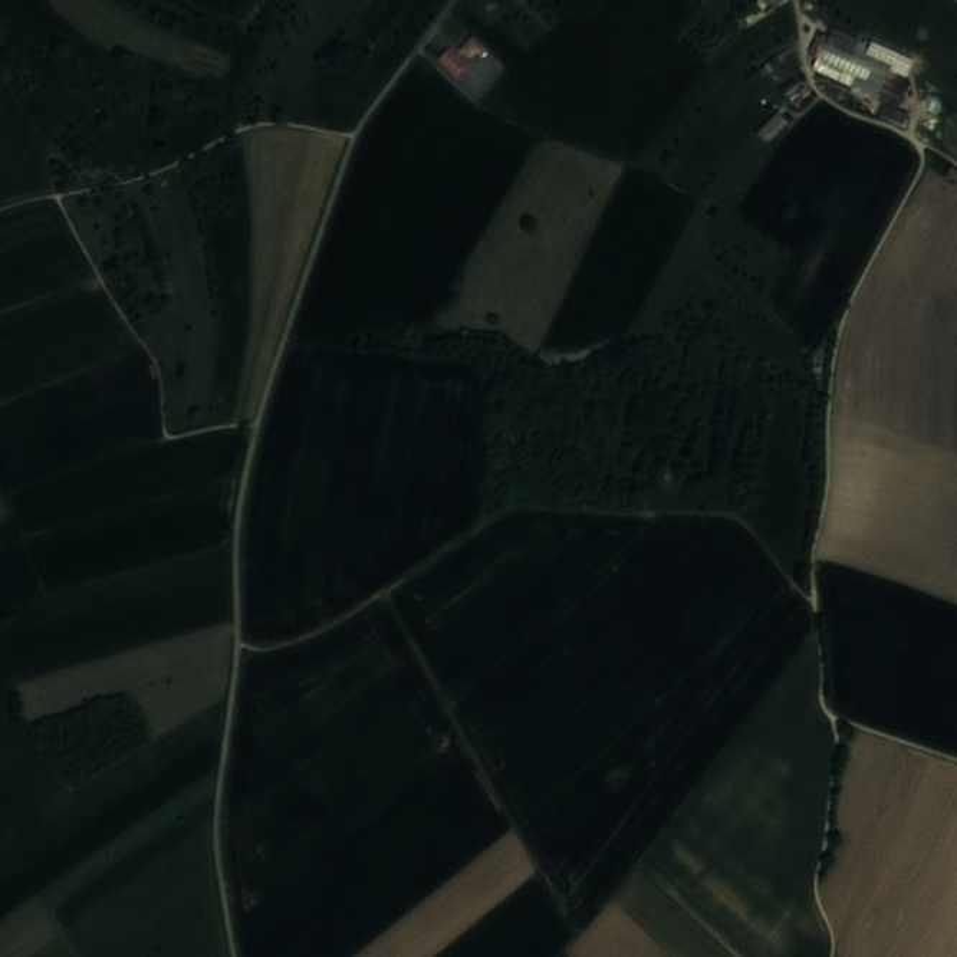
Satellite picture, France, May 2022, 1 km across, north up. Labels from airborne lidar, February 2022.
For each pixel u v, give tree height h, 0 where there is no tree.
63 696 0
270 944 0
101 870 0
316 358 0
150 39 0
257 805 0
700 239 0
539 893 0
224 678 0
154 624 0
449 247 0
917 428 0
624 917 0
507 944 0
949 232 0
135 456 0
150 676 0
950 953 0
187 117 0
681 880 0
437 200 0
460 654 0
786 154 0
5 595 0
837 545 0
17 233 0
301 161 0
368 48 8
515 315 0
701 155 0
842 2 0
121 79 0
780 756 0
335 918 0
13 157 0
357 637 0
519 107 0
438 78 0
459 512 0
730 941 0
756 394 0
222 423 0
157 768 0
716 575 0
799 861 0
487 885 0
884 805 0
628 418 11
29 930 0
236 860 0
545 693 0
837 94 0
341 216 0
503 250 0
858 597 0
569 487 7
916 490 0
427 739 0
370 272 0
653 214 0
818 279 0
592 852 0
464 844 0
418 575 0
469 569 0
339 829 0
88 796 0
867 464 0
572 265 0
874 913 0
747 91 0
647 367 16
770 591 0
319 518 0
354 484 0
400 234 0
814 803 0
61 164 6
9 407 0
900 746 0
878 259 0
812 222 0
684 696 0
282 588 0
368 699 0
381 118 0
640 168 0
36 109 0
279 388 0
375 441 0
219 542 0
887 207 0
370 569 0
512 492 10
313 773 0
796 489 0
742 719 0
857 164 0
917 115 0
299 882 0
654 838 0
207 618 0
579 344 0
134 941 0
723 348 7
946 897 0
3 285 0
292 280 0
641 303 0
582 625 0
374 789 0
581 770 0
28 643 0
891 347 0
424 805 0
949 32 0
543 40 0
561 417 7
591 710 0
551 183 0
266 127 0
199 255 0
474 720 0
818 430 7
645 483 10
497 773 0
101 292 0
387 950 0
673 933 0
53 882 0
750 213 0
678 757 0
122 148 0
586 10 0
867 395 0
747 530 0
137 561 0
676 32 0
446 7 0
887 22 0
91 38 0
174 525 0
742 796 0
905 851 0
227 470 0
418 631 0
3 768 0
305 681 0
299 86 0
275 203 0
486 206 0
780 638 0
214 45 0
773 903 0
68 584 0
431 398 0
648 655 0
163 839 0
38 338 0
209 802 0
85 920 0
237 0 0
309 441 0
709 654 0
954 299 0
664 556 0
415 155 0
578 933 0
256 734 0
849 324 0
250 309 0
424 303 0
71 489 0
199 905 0
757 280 7
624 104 0
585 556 0
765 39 0
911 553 0
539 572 0
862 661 0
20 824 0
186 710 0
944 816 0
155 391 0
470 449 0
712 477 10
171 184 0
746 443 9
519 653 0
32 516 0
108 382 0
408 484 0
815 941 0
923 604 0
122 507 0
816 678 0
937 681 0
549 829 0
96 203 8
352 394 0
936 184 0
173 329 0
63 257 0
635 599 0
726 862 0
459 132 0
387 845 0
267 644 0
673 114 0
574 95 0
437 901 0
